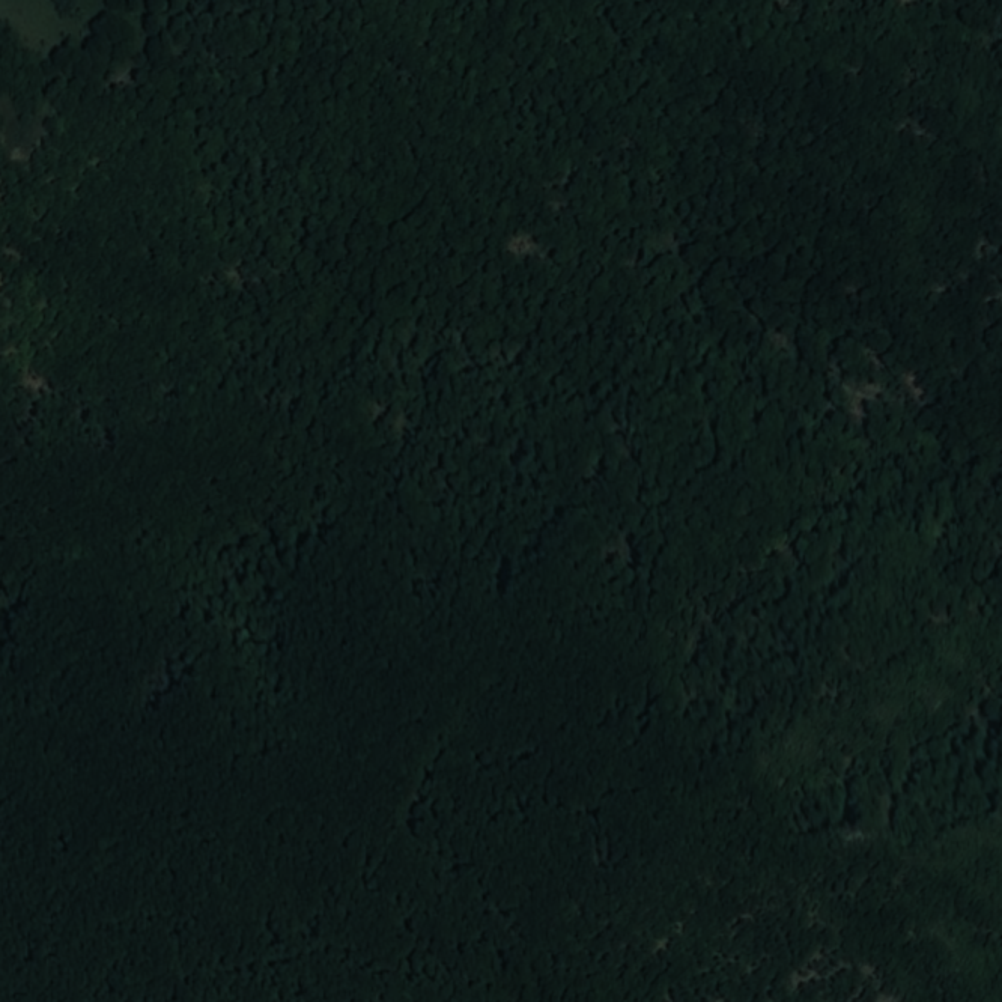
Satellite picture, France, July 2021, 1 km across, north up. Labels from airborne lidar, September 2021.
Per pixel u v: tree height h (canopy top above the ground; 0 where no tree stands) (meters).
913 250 11
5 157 21
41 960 29
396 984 29
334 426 31
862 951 15
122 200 28
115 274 28
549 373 34
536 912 35
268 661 35
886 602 17
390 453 30
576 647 33
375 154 29
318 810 33
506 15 26
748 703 25
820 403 39
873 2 34
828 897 18
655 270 31
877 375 32
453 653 30
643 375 25
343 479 35
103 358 27
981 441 30
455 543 31
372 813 31
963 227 30
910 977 17
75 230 24
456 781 33
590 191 32
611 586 33
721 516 21
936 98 16
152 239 33
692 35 32
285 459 27
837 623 17
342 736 30
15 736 32
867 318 29
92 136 20
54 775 32
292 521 32
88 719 31
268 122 22
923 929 8
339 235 32
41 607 32
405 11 33
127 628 33
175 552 35
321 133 28
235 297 25
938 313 25
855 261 33
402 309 9
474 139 29
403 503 34
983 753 33
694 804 30
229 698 33
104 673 30
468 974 30
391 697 32
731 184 29
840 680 16
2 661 26
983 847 14
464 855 29
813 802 25
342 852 32
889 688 10
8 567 34
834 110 22
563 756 35
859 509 25
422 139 24
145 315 30
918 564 11
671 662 23
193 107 29
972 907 16
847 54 25
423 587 33
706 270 10
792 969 25
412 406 28
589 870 34
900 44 31
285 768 31
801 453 31
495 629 29
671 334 25
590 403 32
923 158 27
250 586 33
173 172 31
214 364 30
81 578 32
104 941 28
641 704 29
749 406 32
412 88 28
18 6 0
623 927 24
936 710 21
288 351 33
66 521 35
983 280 31
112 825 32
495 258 24
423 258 25
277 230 33
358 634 31
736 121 24
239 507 34
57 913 34
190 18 18
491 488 32
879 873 22
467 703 32
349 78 31
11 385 23
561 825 34
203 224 31
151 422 25
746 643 25
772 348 33
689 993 29
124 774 33
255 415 27
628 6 28
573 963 30
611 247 33
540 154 27
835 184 25
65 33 7
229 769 31
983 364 32
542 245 28
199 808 32
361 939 31
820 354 37
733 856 25
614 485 31
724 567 28
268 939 28
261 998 28
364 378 25
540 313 28
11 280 14
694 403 33
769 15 32
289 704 32
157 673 33
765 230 33
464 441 26
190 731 30
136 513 29
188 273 32
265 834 30
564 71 26
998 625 34
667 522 30
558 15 28
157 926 29
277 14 29
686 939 22
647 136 34
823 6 25
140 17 7
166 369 29
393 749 33
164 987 30
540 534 26
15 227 23
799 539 34
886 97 25
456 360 25
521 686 31
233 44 31
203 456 23
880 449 26
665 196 32
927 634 11
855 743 6
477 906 31
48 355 23
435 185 26
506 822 33
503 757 33
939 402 11
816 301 28
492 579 28
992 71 23
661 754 36
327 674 28
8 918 31
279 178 32
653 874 29
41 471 32
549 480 31
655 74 32
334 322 13
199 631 34
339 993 30
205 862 32
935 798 27
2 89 19
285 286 31
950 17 33
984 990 16
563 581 31
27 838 31
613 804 35
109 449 31
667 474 33
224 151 13
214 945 29
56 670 32
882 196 23
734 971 28
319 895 30
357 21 29
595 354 32
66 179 21
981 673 15
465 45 33
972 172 29
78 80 24
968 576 44
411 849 32
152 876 29
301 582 28
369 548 30
